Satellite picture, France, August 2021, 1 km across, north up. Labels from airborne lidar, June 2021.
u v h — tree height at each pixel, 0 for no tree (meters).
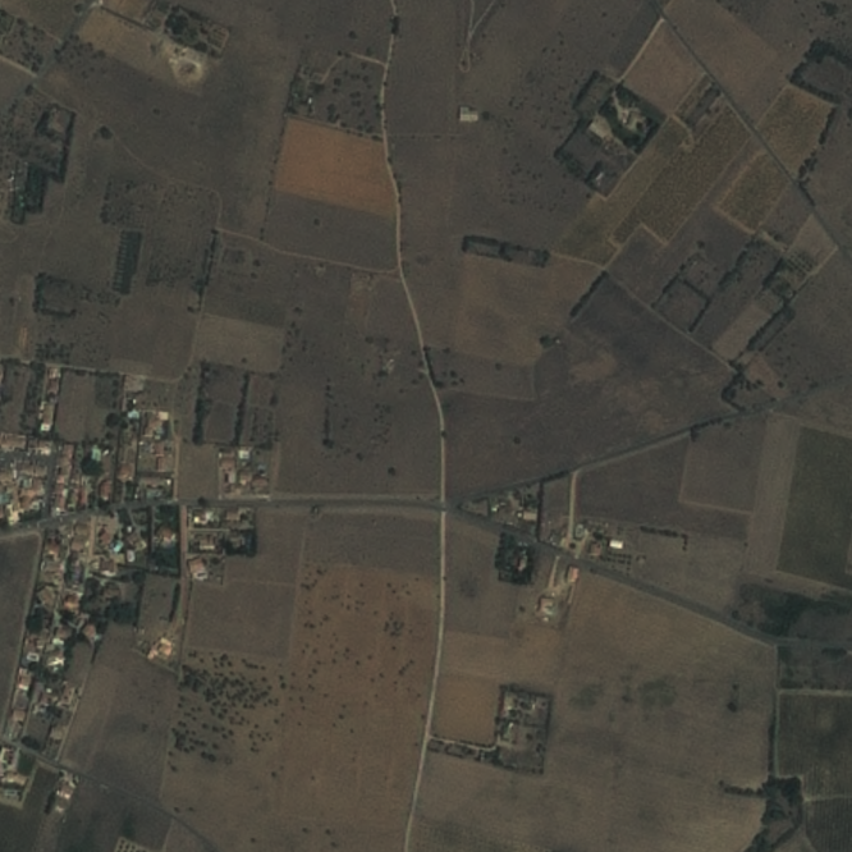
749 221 0
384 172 0
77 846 0
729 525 0
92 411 0
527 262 0
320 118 0
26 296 0
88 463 12
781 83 0
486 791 0
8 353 0
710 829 0
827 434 0
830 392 0
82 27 0
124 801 0
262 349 0
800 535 0
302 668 0
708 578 0
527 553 6
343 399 0
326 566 0
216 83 0
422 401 0
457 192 0
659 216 0
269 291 0
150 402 0
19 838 0
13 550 0
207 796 0
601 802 0
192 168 0
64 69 0
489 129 0
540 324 0
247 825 0
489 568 0
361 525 0
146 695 0
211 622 0
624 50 0
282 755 0
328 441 11
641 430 0
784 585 0
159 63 0
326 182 0
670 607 0
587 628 0
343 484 0
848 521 0
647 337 0
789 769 0
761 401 0
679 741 0
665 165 0
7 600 0
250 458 0
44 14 0
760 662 0
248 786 0
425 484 0
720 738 0
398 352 0
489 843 0
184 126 0
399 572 0
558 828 0
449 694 0
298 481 0
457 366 0
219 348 0
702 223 0
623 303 0
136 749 0
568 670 0
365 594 0
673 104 0
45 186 8
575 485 0
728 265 0
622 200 0
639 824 0
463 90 0
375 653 0
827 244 0
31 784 0
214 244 8
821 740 0
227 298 0
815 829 0
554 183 0
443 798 0
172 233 0
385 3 0
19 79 0
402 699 0
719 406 0
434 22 0
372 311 0
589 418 0
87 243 0
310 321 0
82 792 0
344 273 0
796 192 0
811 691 0
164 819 0
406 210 0
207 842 0
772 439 0
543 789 0
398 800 0
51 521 0
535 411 0
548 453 0
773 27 0
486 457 0
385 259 0
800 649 0
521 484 0
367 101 0
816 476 0
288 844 0
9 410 0
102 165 0
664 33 0
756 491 0
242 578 0
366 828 0
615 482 0
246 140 0
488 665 0
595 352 0
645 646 0
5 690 0
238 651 0
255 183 0
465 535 0
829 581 0
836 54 9
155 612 0
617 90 7
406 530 0
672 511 0
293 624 0
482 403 0
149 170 0
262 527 0
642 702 0
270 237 0
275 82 0
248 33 0
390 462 0
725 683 0
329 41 0
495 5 0
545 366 0
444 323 0
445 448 0
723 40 0
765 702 0
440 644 0
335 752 0
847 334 0
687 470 0
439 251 0
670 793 0
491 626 0
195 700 0
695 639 0
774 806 8
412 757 0
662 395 0
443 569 0
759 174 0
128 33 0
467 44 0
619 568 0
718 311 0
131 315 0
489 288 0
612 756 0
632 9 0
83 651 0
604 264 0
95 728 0
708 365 0
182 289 0
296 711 0
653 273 0
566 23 0
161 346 0
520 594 0
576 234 0
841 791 0
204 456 0
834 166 0
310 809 0
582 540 0
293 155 0
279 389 0
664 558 0
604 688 0
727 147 0
